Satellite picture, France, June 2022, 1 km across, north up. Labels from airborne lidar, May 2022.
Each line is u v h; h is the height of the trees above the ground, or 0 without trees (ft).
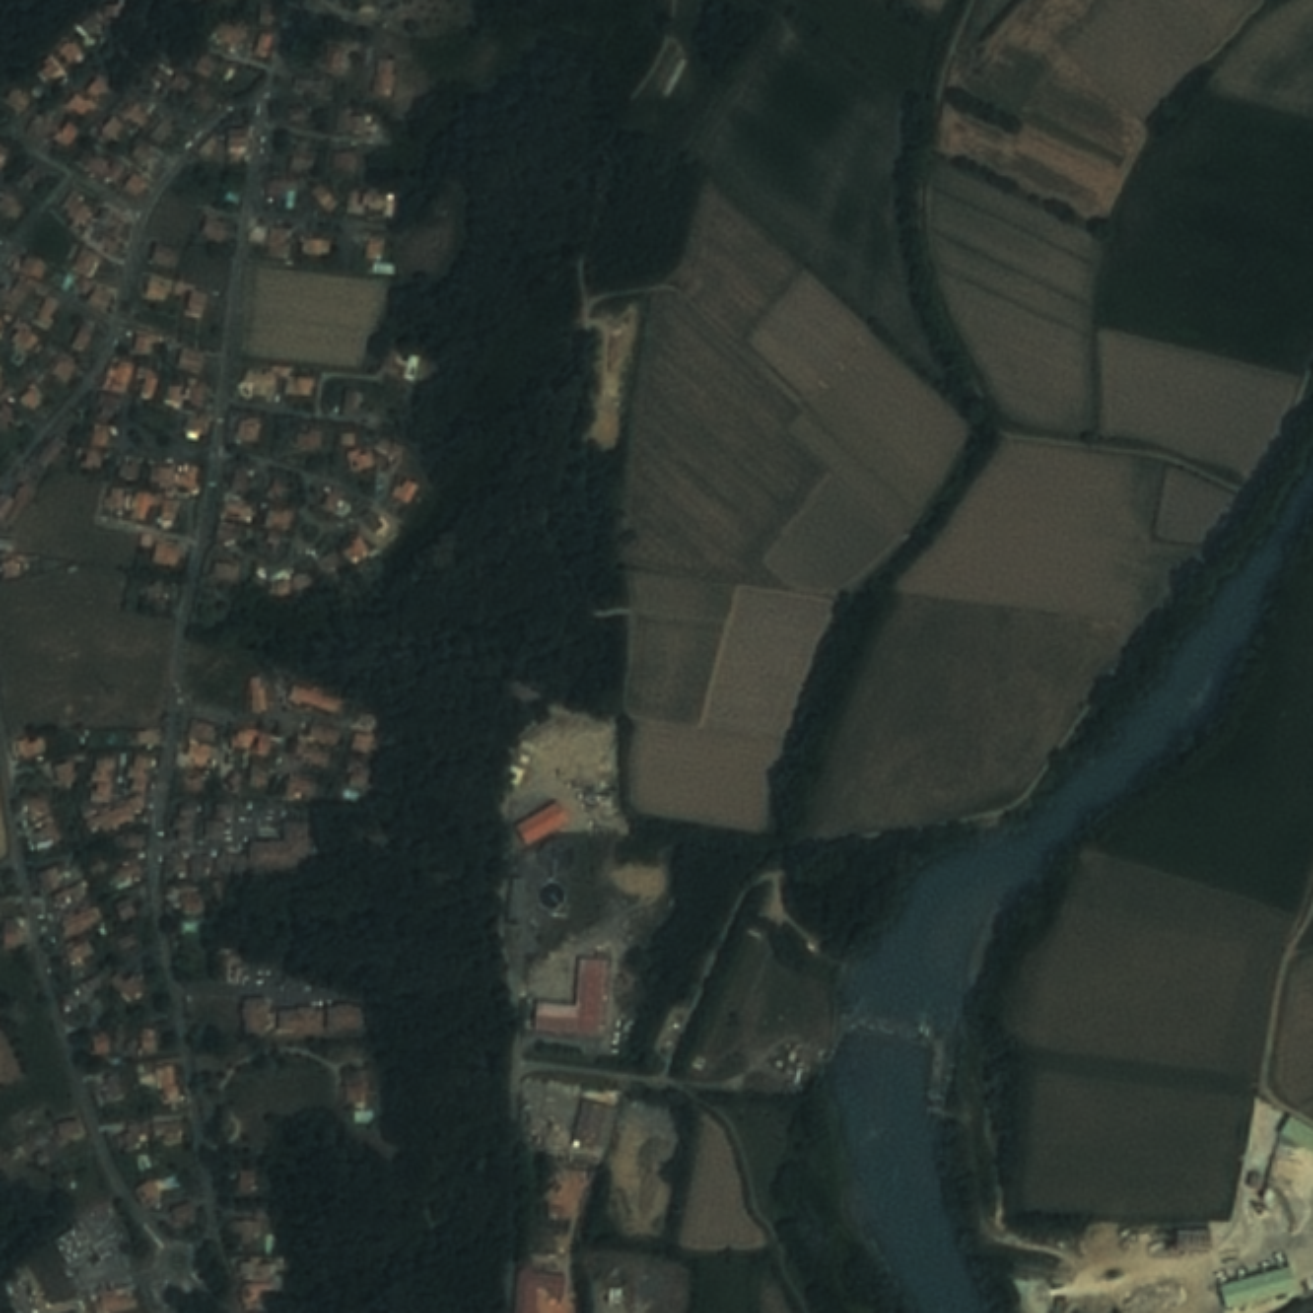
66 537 0
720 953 24
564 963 0
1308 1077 0
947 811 0
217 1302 35
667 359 0
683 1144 38
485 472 31
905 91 0
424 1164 58
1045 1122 0
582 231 61
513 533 88
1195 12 0
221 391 0
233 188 38
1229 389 0
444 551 67
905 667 0
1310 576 0
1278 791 0
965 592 0
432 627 75
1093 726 56
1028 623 0
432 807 104
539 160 72
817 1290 41
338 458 22
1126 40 0
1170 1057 0
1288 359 0
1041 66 0
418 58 0
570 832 0
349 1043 20
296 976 66
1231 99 0
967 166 28
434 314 69
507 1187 63
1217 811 0
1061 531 0
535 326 22
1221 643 0
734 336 0
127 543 0
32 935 0
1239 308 0
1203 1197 0
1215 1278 0
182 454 0
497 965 61
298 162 0
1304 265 0
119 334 0
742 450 0
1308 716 0
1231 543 97
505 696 74
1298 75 0
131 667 0
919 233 44
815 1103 46
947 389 19
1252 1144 0
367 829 74
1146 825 0
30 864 24
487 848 90
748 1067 0
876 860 52
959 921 0
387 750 58
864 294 0
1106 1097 0
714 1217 0
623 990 0
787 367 0
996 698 0
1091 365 0
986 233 0
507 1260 64
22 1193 80
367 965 97
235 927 84
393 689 64
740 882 38
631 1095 25
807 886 62
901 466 0
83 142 28
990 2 0
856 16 0
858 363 0
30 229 0
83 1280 0
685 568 0
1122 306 0
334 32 39
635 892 0
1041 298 0
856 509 0
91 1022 0
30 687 0
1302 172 0
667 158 32
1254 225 0
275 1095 0
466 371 74
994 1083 48
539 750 0
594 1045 0
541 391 72
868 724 0
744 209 0
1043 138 0
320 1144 72
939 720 0
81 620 0
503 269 62
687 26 0
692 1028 32
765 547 0
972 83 0
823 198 0
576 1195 0
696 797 0
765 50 0
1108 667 0
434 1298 84
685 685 0
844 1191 0
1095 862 0
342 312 0
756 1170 0
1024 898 81
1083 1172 0
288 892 64
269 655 35
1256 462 0
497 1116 48
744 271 0
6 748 0
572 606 67
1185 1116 0
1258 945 0
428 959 88
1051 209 27
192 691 0
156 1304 0
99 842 29
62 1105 0
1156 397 0
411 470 0
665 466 0
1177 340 0
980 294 0
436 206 36
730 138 0
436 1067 84
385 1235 102
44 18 74
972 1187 57
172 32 67
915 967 0
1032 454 0
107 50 31
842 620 41
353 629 86
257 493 21
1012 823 43
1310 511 58
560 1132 0
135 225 0
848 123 0
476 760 76
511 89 73
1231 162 0
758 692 0
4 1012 33
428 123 37
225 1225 22
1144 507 0
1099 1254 0
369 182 37
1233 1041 0
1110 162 0
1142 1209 0
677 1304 0
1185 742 70
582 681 67
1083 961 0
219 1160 48
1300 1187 0
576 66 39
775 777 62
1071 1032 0
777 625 0
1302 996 0
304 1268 76
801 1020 0
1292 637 0
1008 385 0
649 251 26
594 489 65
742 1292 0
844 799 0
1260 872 0
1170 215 0
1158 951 0
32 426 20
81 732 22
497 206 73
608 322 0
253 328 0
